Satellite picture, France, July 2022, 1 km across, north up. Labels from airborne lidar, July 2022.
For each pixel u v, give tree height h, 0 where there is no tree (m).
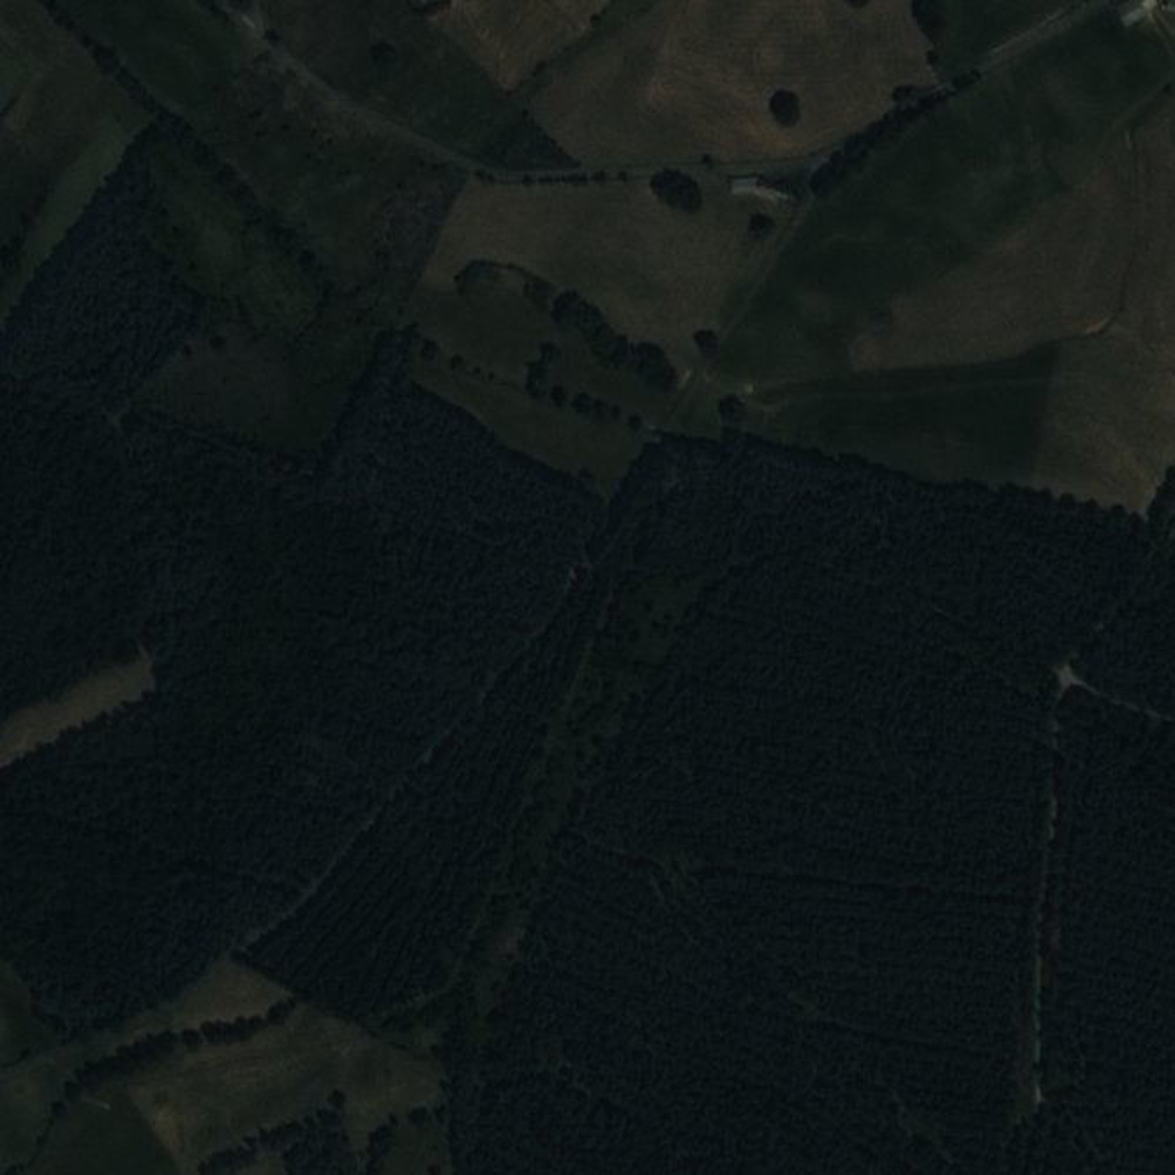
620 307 0
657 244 0
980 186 0
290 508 18
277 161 0
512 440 0
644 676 9
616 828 16
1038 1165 16
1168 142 0
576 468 0
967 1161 18
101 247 29
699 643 17
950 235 0
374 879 13
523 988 15
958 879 14
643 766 18
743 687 16
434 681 29
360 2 0
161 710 25
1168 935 17
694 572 11
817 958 13
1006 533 16
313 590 23
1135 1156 16
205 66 0
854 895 14
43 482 14
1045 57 0
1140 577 19
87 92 0
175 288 31
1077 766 16
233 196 15
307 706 19
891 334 0
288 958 14
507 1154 15
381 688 15
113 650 19
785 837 24
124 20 0
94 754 20
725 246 0
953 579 18
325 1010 16
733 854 16
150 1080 0
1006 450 0
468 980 11
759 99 0
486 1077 6
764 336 0
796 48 0
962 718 18
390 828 15
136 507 7
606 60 0
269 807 26
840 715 14
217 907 22
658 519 27
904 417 0
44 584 20
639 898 14
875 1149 12
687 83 0
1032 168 0
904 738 20
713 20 0
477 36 0
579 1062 25
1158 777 13
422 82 0
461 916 15
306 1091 0
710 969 15
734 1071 13
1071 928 16
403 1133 0
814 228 0
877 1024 13
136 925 22
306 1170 16
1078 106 0
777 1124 14
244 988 0
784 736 16
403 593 14
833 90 0
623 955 15
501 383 0
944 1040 15
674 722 17
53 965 23
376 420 23
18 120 0
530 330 0
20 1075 0
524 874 7
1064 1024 15
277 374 0
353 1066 0
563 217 0
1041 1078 9
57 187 0
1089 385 0
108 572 19
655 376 28
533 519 27
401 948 15
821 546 21
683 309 0
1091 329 0
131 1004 15
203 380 0
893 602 19
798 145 0
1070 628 22
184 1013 0
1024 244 0
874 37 0
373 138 0
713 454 29
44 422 12
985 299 0
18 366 24
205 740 15
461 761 12
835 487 26
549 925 16
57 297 29
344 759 19
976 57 0
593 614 14
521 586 29
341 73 0
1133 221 0
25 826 22
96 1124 0
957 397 0
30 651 19
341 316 0
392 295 0
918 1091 21
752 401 0
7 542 15
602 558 23
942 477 0
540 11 0
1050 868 11
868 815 18
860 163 17
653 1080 22
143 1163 0
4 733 0
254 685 20
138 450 20
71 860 22
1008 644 11
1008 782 20
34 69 0
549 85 0
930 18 23
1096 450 0
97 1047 0
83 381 27
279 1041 0
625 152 0
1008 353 0
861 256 0
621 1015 18
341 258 0
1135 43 0
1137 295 0
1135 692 19
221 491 17
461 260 0
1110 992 17
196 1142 0
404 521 14
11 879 23
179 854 15
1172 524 7
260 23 0
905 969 15
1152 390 0
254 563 18
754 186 0
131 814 23
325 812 27
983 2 0
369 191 0
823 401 0
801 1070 13
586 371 0
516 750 13
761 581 17
